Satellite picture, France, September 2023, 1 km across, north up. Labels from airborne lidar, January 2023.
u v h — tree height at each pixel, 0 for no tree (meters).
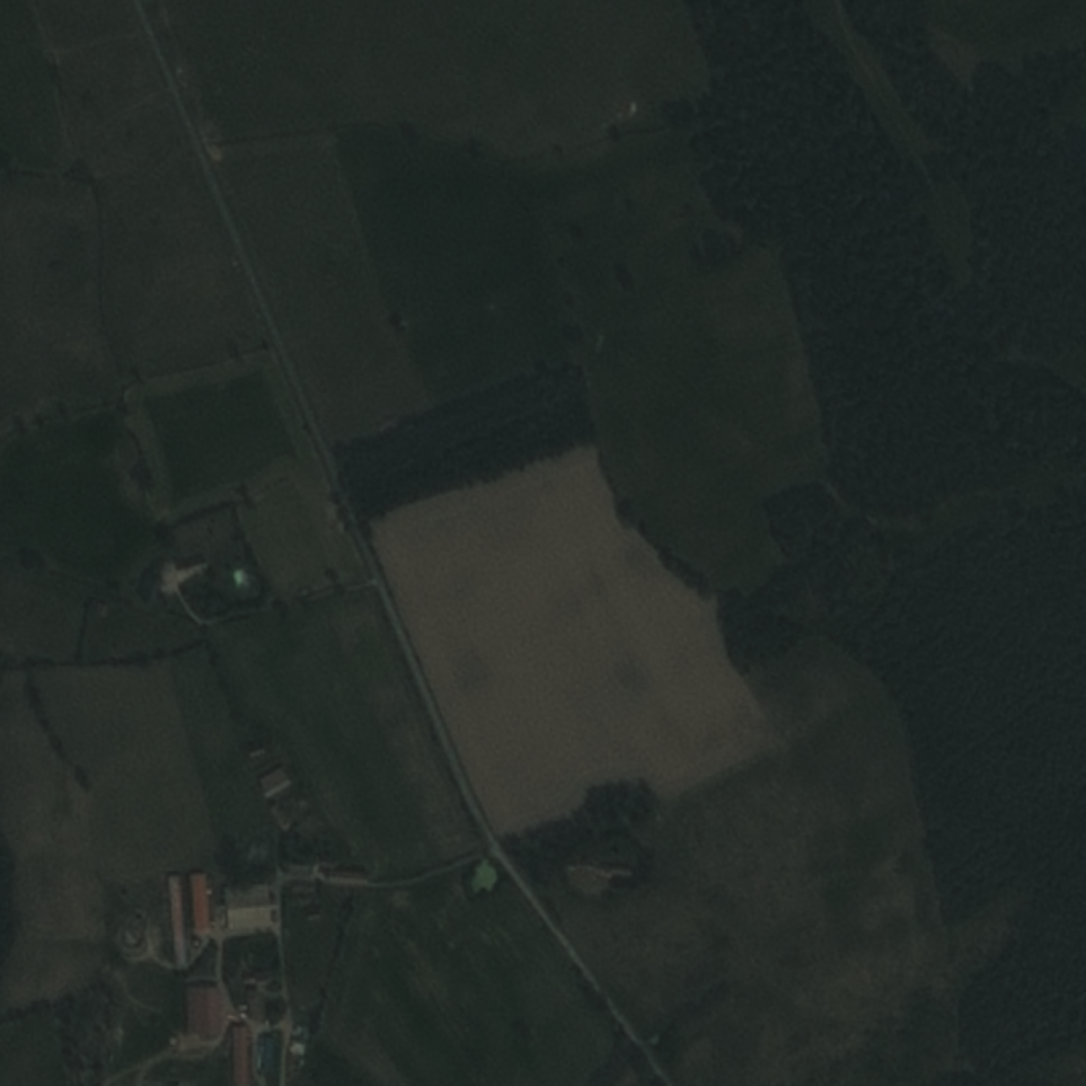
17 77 0
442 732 0
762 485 0
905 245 23
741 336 0
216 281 0
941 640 10
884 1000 0
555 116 0
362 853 0
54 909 0
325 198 0
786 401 0
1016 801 10
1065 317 17
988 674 12
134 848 0
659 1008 0
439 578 0
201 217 0
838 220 26
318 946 0
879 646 13
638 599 0
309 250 0
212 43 0
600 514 0
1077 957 10
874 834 0
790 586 12
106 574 0
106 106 0
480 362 0
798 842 0
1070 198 21
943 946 0
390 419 0
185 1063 0
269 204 0
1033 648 10
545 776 0
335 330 0
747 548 0
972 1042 8
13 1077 0
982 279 17
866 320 24
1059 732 14
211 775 0
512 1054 0
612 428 0
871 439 8
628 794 13
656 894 0
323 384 0
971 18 0
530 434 14
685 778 0
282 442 0
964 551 12
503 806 0
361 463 14
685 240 0
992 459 23
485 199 0
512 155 0
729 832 0
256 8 0
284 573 0
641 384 0
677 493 0
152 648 0
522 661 0
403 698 0
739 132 25
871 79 0
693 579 13
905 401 18
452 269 0
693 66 0
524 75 0
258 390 0
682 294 0
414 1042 0
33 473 0
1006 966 10
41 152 0
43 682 0
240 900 0
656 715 0
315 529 0
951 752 15
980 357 25
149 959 0
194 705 0
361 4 0
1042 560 15
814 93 22
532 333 0
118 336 0
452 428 15
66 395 0
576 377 10
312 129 0
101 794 0
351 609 0
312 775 0
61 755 12
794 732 0
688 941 0
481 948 0
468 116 0
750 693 0
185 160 0
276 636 0
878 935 0
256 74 0
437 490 9
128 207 0
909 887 0
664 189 0
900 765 0
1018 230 17
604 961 0
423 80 0
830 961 0
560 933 0
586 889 0
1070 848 9
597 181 0
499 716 0
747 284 0
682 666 0
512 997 0
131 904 0
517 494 0
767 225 23
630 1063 15
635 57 0
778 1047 0
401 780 0
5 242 0
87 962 0
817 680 0
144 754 0
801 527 19
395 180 0
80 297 0
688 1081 0
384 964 0
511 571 0
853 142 22
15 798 0
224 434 0
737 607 9
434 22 0
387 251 0
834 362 18
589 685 0
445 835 0
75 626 0
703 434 0
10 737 0
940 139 18
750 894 0
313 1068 0
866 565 28
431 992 0
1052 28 0
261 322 0
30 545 0
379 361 0
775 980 0
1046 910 12
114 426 0
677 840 0
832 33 0
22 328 0
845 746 0
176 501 0
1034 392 19
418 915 0
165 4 0
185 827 0
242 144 0
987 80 17
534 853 7
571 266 0
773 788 0
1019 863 12
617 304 0
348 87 0
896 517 19
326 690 0
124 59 0
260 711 0
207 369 0
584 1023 0
